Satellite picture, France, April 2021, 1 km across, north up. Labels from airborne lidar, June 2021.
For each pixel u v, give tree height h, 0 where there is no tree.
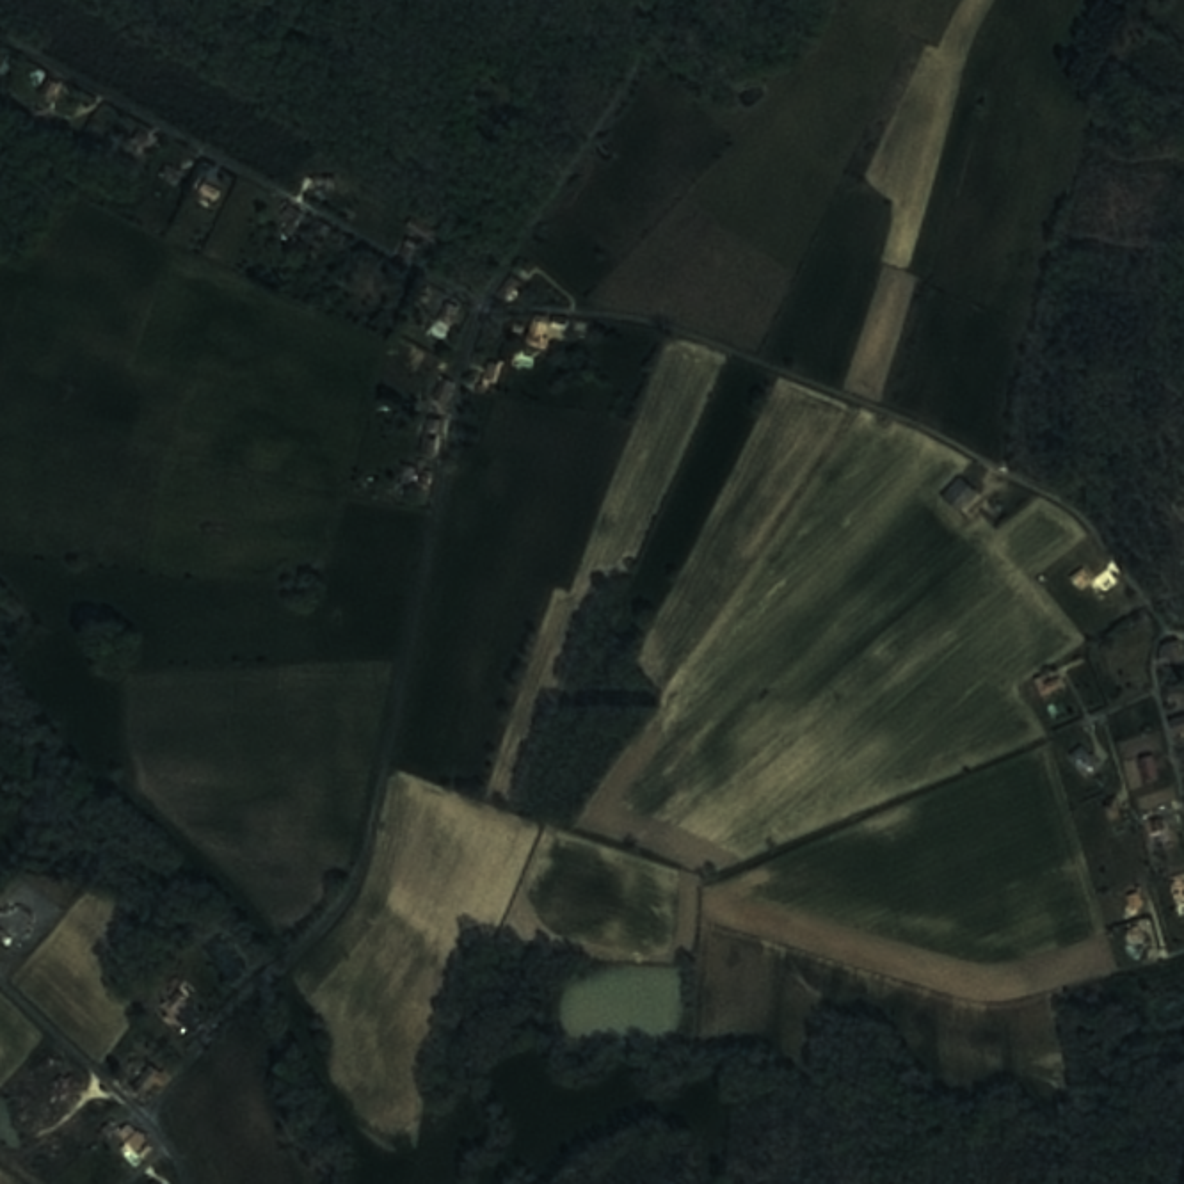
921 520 0
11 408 0
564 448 0
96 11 21
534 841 0
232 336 0
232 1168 0
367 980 0
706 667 0
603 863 0
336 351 0
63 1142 0
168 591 0
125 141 13
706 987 0
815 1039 21
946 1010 0
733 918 0
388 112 19
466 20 20
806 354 0
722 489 0
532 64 21
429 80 21
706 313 0
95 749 0
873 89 0
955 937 0
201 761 0
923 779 0
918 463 0
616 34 19
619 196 0
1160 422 20
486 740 0
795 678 0
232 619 0
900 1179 20
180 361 0
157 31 24
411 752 0
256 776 0
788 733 0
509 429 0
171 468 0
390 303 11
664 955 0
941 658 0
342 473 0
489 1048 24
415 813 0
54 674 0
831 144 0
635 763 0
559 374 6
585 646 21
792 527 0
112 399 0
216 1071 0
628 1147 23
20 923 0
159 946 27
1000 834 0
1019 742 0
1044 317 15
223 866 0
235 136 7
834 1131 17
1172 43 14
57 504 0
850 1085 28
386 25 23
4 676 23
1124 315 21
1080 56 15
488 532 0
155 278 0
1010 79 0
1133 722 0
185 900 23
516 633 0
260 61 20
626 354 0
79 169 22
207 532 0
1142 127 22
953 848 0
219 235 0
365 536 0
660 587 0
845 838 0
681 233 0
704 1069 20
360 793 0
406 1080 0
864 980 0
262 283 13
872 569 0
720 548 0
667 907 0
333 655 0
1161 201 6
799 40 20
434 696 0
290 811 0
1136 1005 6
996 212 0
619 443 0
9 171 24
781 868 0
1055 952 0
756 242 0
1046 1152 13
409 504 9
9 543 0
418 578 0
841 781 0
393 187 19
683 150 0
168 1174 0
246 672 0
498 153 25
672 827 0
